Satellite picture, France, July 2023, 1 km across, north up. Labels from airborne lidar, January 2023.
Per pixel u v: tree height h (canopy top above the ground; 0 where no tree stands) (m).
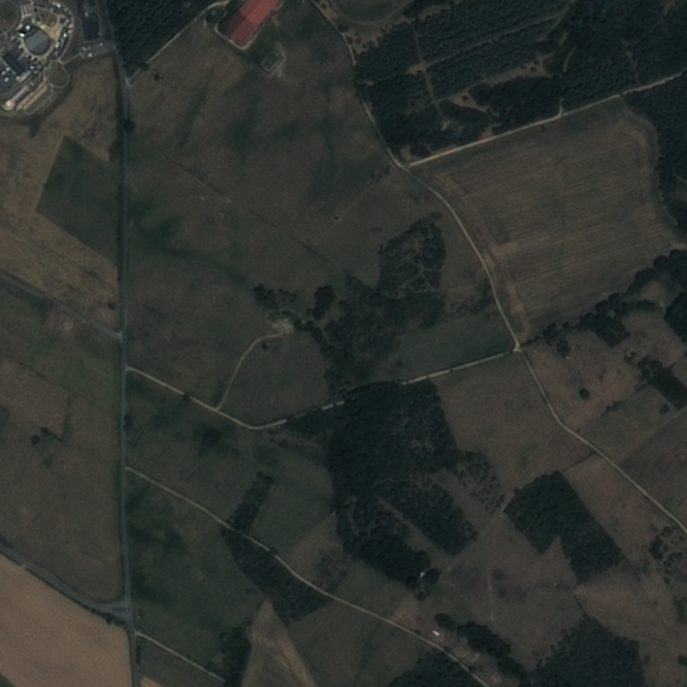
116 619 10
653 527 0
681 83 9
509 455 0
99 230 0
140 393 0
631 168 0
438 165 0
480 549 0
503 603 0
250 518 8
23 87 0
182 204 0
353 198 0
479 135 6
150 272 0
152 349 0
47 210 0
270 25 0
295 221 0
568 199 0
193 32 0
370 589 0
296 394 0
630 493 0
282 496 0
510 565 0
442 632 0
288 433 0
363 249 0
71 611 0
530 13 11
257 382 0
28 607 0
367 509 16
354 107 0
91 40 0
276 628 0
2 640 0
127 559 0
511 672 18
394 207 0
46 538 0
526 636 0
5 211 0
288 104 0
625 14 9
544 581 0
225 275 0
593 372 0
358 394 12
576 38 11
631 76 10
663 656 0
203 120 0
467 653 0
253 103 0
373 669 0
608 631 7
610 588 0
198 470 0
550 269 0
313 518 0
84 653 0
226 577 0
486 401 0
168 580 0
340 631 0
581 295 0
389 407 9
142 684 0
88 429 0
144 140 0
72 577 0
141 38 12
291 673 0
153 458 0
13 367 0
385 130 7
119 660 0
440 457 12
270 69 0
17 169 0
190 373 0
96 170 0
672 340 0
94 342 0
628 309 17
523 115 8
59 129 0
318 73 0
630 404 0
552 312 0
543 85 15
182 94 0
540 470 0
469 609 0
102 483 0
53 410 0
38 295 0
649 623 0
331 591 0
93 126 0
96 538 0
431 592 0
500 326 0
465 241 0
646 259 0
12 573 0
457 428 0
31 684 0
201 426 0
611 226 0
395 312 8
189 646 0
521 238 0
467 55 9
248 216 0
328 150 0
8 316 0
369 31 0
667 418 0
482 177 0
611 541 12
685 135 9
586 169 0
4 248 0
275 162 0
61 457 0
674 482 0
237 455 0
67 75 0
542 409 0
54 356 0
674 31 9
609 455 0
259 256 0
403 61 9
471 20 7
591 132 0
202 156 0
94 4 0
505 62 11
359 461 18
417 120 6
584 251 0
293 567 0
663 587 0
